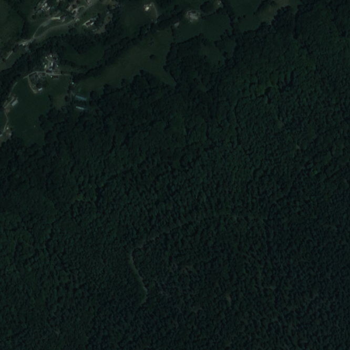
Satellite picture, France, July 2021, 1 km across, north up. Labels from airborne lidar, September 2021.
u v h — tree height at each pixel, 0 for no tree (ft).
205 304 60
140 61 0
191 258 64
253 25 0
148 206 90
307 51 90
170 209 30
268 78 109
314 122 66
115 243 85
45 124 40
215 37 0
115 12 51
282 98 77
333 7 85
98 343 99
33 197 83
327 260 82
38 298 80
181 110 87
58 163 87
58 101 0
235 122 66
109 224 85
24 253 97
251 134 68
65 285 20
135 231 100
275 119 80
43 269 64
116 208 90
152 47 0
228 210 103
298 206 51
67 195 75
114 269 48
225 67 25
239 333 40
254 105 70
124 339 53
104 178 93
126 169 26
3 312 68
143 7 0
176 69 66
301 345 57
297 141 60
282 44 84
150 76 91
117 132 104
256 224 35
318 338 104
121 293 71
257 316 93
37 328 59
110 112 36
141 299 28
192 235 30
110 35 31
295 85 95
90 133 84
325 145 92
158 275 84
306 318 97
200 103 77
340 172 72
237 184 105
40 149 24
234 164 85
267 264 70
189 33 0
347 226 70
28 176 58
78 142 76
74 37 49
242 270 70
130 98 86
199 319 58
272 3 46
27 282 56
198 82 54
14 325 74
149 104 71
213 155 101
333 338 76
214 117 103
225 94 70
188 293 43
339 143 94
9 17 24
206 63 57
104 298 47
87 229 64
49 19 0
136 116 63
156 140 113
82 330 104
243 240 55
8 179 30
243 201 101
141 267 54
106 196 90
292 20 103
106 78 0
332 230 35
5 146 79
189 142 98
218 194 101
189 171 110
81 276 88
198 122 105
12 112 0
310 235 40
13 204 79
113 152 89
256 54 102
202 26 0
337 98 88
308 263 33
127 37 21
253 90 95
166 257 74
